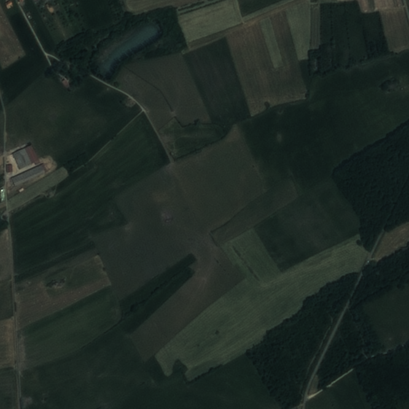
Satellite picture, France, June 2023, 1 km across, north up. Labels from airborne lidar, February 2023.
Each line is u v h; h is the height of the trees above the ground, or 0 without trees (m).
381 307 0
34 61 0
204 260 0
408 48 0
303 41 0
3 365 0
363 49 0
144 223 0
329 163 0
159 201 0
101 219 0
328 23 0
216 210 0
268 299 0
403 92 0
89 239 0
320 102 0
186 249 0
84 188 0
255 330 0
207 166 0
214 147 0
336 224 0
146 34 0
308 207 0
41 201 0
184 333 0
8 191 0
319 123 0
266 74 0
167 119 0
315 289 0
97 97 0
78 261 0
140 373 0
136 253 0
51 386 0
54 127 0
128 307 0
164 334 0
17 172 0
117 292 0
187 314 0
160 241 0
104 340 0
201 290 0
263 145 0
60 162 0
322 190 0
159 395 0
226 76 0
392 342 0
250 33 0
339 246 0
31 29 0
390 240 0
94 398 0
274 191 0
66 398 0
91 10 0
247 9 0
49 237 0
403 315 0
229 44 0
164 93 0
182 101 0
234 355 0
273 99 0
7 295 0
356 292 11
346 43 0
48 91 0
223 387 0
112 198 0
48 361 0
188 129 0
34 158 0
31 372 0
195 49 0
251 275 0
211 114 0
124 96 0
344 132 0
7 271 0
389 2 0
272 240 0
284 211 0
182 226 0
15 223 0
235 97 0
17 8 0
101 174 0
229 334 0
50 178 0
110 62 0
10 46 0
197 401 0
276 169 0
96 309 0
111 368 0
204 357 0
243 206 0
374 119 0
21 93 0
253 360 6
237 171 0
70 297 0
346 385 0
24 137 0
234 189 0
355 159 18
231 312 0
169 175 0
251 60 0
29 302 0
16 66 0
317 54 12
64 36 0
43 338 0
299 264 0
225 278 0
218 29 0
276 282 0
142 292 0
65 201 0
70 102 0
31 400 0
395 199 19
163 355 0
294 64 0
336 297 22
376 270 16
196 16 0
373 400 19
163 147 0
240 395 0
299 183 0
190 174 0
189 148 0
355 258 0
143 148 0
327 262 0
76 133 0
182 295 0
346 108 0
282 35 0
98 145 0
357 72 0
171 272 0
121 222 0
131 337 0
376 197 24
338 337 0
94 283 0
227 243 0
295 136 0
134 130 0
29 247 0
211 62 0
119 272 0
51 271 0
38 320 0
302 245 0
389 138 19
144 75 0
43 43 0
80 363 0
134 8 0
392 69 0
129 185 0
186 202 0
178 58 0
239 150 0
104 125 0
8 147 0
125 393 0
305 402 0
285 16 0
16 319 0
